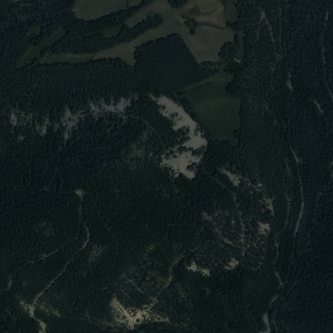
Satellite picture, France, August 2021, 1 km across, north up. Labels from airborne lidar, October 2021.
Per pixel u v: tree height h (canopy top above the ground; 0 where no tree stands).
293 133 18
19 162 13
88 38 11
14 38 16
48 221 8
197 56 0
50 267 12
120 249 14
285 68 17
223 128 0
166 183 18
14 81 26
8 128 18
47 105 21
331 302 27
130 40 16
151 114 13
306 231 7
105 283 12
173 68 17
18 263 16
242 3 28
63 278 16
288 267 14
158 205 15
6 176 21
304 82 28
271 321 11
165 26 0
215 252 15
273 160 14
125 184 14
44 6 19
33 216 24
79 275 12
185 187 15
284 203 9
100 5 0
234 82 21
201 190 20
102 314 25
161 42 24
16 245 12
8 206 23
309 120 15
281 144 7
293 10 15
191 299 8
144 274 9
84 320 18
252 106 12
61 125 8
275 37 21
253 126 11
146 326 17
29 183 19
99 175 15
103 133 16
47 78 17
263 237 22
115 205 12
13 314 17
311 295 20
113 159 15
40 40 19
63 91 27
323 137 17
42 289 14
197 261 29
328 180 17
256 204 26
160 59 20
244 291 13
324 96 26
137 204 22
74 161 26
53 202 20
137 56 14
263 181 18
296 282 8
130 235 14
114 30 0
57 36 0
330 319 25
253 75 15
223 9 0
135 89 17
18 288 20
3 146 13
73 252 12
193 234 17
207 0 0
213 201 8
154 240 14
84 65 22
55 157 9
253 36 17
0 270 15
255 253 21
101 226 15
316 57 23
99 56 0
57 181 8
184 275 24
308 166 15
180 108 0
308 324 16
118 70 33
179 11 0
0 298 18
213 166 13
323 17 10
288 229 11
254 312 16
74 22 27
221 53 12
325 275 20
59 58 0
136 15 0
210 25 0
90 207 19
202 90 0
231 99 0
